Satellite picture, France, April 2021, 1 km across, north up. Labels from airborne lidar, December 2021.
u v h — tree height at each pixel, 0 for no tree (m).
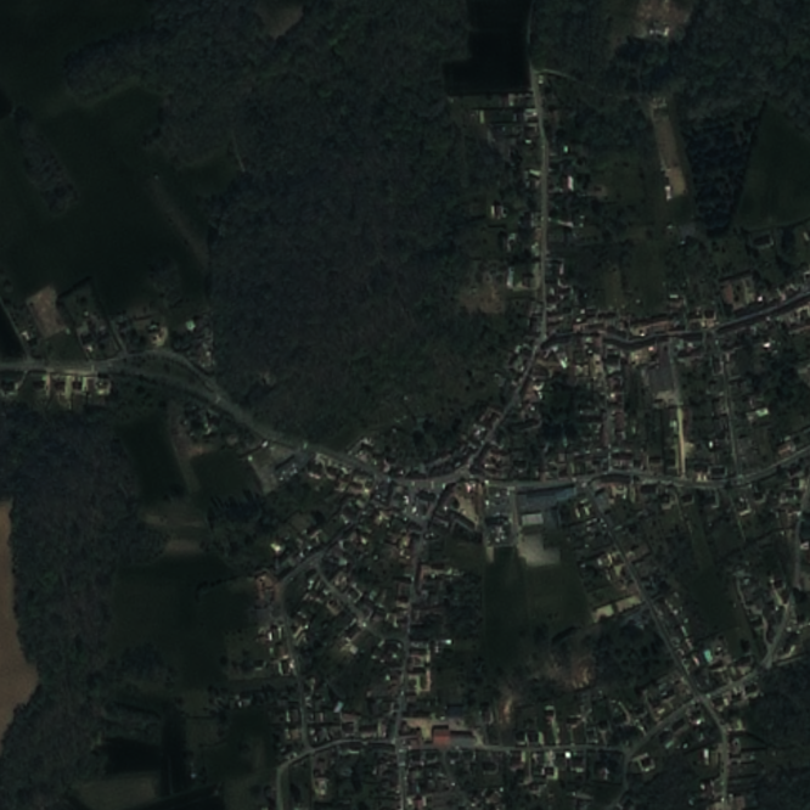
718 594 0
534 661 0
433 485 0
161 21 10
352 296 24
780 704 15
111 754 0
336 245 16
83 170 0
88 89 20
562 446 7
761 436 0
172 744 0
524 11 0
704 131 12
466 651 0
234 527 15
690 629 0
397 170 23
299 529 0
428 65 19
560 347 0
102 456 26
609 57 38
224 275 18
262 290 23
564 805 0
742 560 8
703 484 0
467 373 10
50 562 22
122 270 0
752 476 0
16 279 0
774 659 0
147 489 0
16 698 0
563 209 9
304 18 9
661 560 12
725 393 0
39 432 21
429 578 8
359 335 29
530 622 0
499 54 0
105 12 0
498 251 0
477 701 15
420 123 24
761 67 29
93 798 0
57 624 22
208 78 19
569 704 0
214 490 0
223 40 10
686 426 0
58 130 0
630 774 6
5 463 28
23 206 0
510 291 0
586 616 0
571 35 35
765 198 0
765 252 0
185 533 0
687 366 0
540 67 12
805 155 0
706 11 20
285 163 20
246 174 6
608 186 0
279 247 23
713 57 20
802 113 20
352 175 21
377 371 11
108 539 19
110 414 6
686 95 7
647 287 0
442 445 11
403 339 23
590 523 0
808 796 14
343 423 8
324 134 18
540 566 0
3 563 0
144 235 0
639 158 15
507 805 15
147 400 7
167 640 0
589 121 14
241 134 22
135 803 0
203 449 0
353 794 6
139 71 16
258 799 15
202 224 0
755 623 7
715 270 5
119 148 0
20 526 13
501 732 0
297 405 18
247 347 23
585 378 0
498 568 0
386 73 30
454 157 9
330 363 23
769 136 0
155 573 0
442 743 0
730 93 32
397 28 24
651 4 0
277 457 0
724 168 13
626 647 6
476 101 0
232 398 16
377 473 0
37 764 23
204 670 0
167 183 0
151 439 0
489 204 0
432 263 25
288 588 0
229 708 8
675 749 0
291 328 28
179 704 9
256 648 0
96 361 0
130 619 0
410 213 26
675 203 0
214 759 0
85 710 23
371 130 28
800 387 6
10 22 0
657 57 15
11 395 0
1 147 0
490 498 0
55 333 0
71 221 0
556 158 0
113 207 0
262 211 20
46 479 25
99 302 5
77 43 0
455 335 20
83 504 21
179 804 0
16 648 0
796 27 36
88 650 28
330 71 23
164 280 13
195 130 15
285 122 23
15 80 0
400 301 30
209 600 0
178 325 0
